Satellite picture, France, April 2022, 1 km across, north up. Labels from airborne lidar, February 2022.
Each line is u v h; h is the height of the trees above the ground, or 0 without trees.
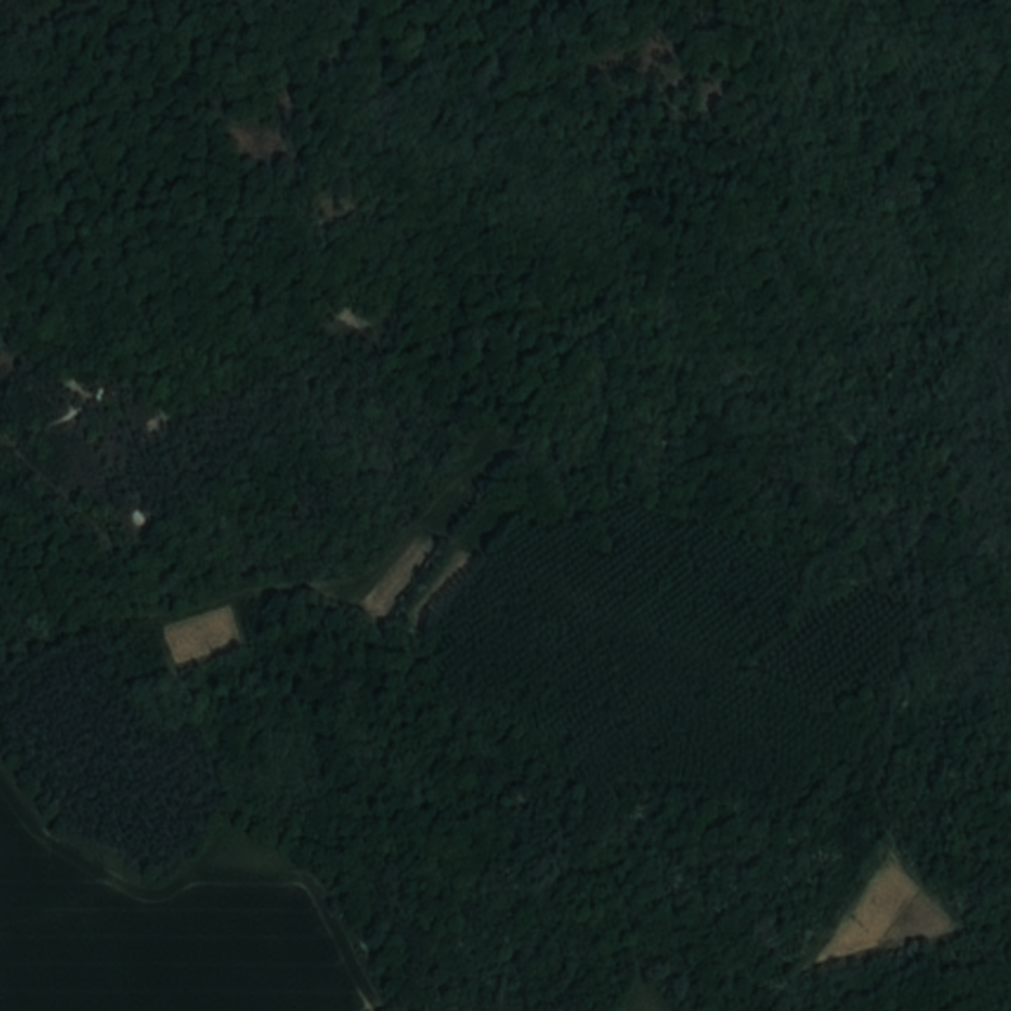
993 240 18
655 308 23
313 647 20
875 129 23
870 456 21
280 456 24
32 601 23
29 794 16
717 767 26
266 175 19
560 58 16
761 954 8
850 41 24
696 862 20
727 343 25
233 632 0
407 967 11
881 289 20
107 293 23
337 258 20
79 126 26
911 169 24
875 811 7
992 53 21
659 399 15
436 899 15
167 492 13
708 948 15
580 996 22
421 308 20
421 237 18
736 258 19
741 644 23
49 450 13
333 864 21
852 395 11
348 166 23
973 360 19
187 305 23
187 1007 0
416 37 22
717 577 21
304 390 17
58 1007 0
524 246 19
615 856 15
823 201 24
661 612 19
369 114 25
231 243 24
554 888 9
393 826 14
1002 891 23
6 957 0
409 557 0
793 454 15
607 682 22
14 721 16
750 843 8
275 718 8
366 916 15
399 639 18
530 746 6
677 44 22
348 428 24
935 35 24
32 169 21
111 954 0
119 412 10
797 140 23
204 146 19
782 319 20
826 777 23
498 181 25
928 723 6
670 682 25
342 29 26
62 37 27
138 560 18
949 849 16
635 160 18
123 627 8
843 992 19
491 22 23
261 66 28
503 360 25
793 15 16
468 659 24
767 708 23
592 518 10
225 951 0
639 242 23
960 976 22
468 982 13
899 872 0
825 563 25
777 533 22
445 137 23
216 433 12
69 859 0
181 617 17
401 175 20
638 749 28
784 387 16
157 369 17
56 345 18
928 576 19
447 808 9
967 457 18
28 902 0
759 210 23
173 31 27
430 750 7
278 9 25
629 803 18
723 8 23
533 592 23
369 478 19
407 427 23
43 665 22
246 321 21
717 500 24
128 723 18
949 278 24
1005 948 9
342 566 20
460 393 7
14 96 22
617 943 17
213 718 18
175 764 18
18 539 20
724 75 17
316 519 20
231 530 26
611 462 23
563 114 23
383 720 13
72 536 16
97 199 24
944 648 20
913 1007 22
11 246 23
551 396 26
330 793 15
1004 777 13
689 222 23
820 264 20
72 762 15
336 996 0
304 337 11
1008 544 21
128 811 16
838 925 15
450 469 30
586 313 9
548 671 24
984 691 22
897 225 18
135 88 26
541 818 13
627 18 20
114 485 13
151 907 0
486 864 14
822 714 27
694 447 23
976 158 24
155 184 24
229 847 0
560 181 22
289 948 0
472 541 0
